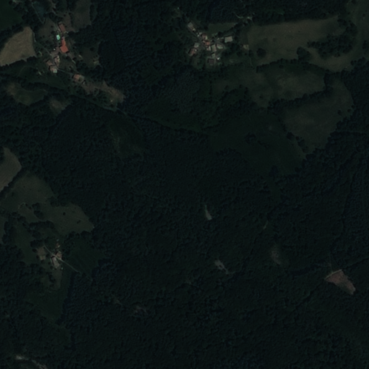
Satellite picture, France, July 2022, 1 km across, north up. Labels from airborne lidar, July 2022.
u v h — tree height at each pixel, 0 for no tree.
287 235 24
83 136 18
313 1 18
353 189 22
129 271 27
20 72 0
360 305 16
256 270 22
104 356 22
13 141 6
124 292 17
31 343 24
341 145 21
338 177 17
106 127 17
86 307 23
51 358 20
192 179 23
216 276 23
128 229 25
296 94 0
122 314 25
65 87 0
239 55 11
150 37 6
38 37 8
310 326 22
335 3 17
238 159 22
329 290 17
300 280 24
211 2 7
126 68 22
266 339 31
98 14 9
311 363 18
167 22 13
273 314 14
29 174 0
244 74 0
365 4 0
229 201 20
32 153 13
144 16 23
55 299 0
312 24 0
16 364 8
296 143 0
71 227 0
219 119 17
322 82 0
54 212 0
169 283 24
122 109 31
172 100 30
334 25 0
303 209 29
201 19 11
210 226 22
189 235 18
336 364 28
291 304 22
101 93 12
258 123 0
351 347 21
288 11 14
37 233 20
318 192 22
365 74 21
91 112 19
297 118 0
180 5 10
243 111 17
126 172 20
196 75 24
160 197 17
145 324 25
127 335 26
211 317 27
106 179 23
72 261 0
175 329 23
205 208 11
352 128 22
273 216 28
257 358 23
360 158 11
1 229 0
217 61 0
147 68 20
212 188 13
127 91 18
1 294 18
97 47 0
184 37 7
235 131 0
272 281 15
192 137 21
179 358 28
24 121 7
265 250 26
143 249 26
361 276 23
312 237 6
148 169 21
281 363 31
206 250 15
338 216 20
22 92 0
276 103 13
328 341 8
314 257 9
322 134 0
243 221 30
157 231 27
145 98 34
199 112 24
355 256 18
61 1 17
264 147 22
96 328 25
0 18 0
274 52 0
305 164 18
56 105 0
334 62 0
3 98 13
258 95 0
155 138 18
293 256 8
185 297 19
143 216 24
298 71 0
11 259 23
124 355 27
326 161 23
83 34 9
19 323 29
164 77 8
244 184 23
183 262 26
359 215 20
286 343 30
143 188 20
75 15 0
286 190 25
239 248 21
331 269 22
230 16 37
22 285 20
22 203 0
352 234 9
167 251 23
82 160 26
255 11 15
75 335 26
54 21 10
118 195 28
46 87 18
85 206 19
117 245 25
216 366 37
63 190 17
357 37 0
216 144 0
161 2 25
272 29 0
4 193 15
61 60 0
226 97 18
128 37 32
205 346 25
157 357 25
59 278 0
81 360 27
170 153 20
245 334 25
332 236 21
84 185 22
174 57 18
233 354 20
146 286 18
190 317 24
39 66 0
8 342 23
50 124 20
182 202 20
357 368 13
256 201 23
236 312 21
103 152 22
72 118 24
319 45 17
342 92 0
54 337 26
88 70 21
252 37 0
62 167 25
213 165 17
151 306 16
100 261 0
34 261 0
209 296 15
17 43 0
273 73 0
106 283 25
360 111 16
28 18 20
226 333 20
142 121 31
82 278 23
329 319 20
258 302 22
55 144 22
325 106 0
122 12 22
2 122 31
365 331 14
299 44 0
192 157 17
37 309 5
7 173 0
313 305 24
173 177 22
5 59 0
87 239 25
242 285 28
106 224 24
